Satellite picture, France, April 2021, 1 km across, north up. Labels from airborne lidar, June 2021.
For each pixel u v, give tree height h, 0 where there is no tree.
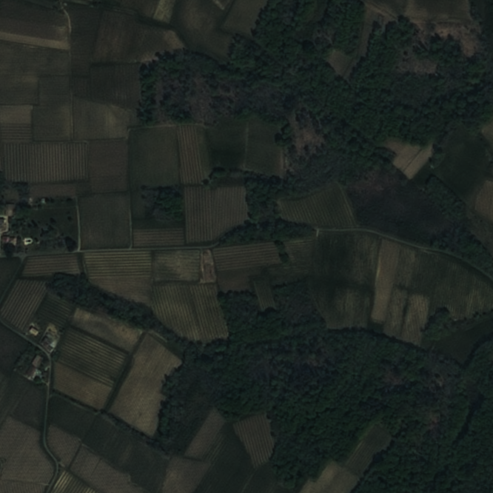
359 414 21
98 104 0
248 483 0
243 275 0
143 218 0
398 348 20
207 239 0
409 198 6
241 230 13
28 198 16
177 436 11
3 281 0
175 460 0
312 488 0
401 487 23
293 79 10
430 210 7
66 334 0
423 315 0
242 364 16
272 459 7
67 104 0
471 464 22
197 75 13
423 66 0
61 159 0
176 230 0
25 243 0
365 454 0
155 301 0
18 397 0
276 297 9
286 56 12
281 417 15
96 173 0
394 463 22
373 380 19
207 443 0
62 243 9
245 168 0
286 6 14
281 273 0
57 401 0
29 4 0
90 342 0
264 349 17
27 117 0
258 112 15
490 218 0
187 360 18
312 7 19
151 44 0
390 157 8
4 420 0
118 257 0
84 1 0
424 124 23
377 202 7
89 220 0
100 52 0
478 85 9
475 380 19
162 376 0
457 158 0
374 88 20
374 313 0
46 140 0
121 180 0
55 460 0
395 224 6
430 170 0
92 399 0
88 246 0
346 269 0
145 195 9
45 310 0
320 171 29
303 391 23
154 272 0
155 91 19
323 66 24
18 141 0
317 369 8
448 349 0
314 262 0
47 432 0
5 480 0
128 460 0
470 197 0
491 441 20
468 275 0
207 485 0
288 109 27
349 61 0
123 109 0
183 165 0
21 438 0
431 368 16
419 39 23
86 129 0
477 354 17
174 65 20
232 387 18
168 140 0
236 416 20
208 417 0
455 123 13
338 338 15
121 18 0
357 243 0
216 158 0
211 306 0
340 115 12
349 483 0
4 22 0
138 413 0
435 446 22
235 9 0
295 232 12
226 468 0
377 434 0
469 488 16
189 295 0
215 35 0
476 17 20
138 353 0
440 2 0
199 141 0
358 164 14
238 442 0
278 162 0
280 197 15
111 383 0
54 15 0
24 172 0
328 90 23
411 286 0
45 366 11
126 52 0
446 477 30
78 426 0
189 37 0
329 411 27
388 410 26
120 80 0
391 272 0
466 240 19
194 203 0
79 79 0
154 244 0
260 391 15
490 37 8
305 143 0
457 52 25
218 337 0
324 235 0
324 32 19
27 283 0
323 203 0
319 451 15
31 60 0
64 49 0
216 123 10
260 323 23
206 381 25
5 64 0
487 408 27
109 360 0
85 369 0
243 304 23
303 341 26
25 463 0
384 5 0
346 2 13
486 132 0
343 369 23
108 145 0
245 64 21
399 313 0
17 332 0
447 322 18
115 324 0
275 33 23
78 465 0
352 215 0
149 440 13
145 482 0
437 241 19
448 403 14
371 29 0
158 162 0
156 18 0
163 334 8
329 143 22
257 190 17
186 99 13
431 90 16
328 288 0
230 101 14
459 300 0
